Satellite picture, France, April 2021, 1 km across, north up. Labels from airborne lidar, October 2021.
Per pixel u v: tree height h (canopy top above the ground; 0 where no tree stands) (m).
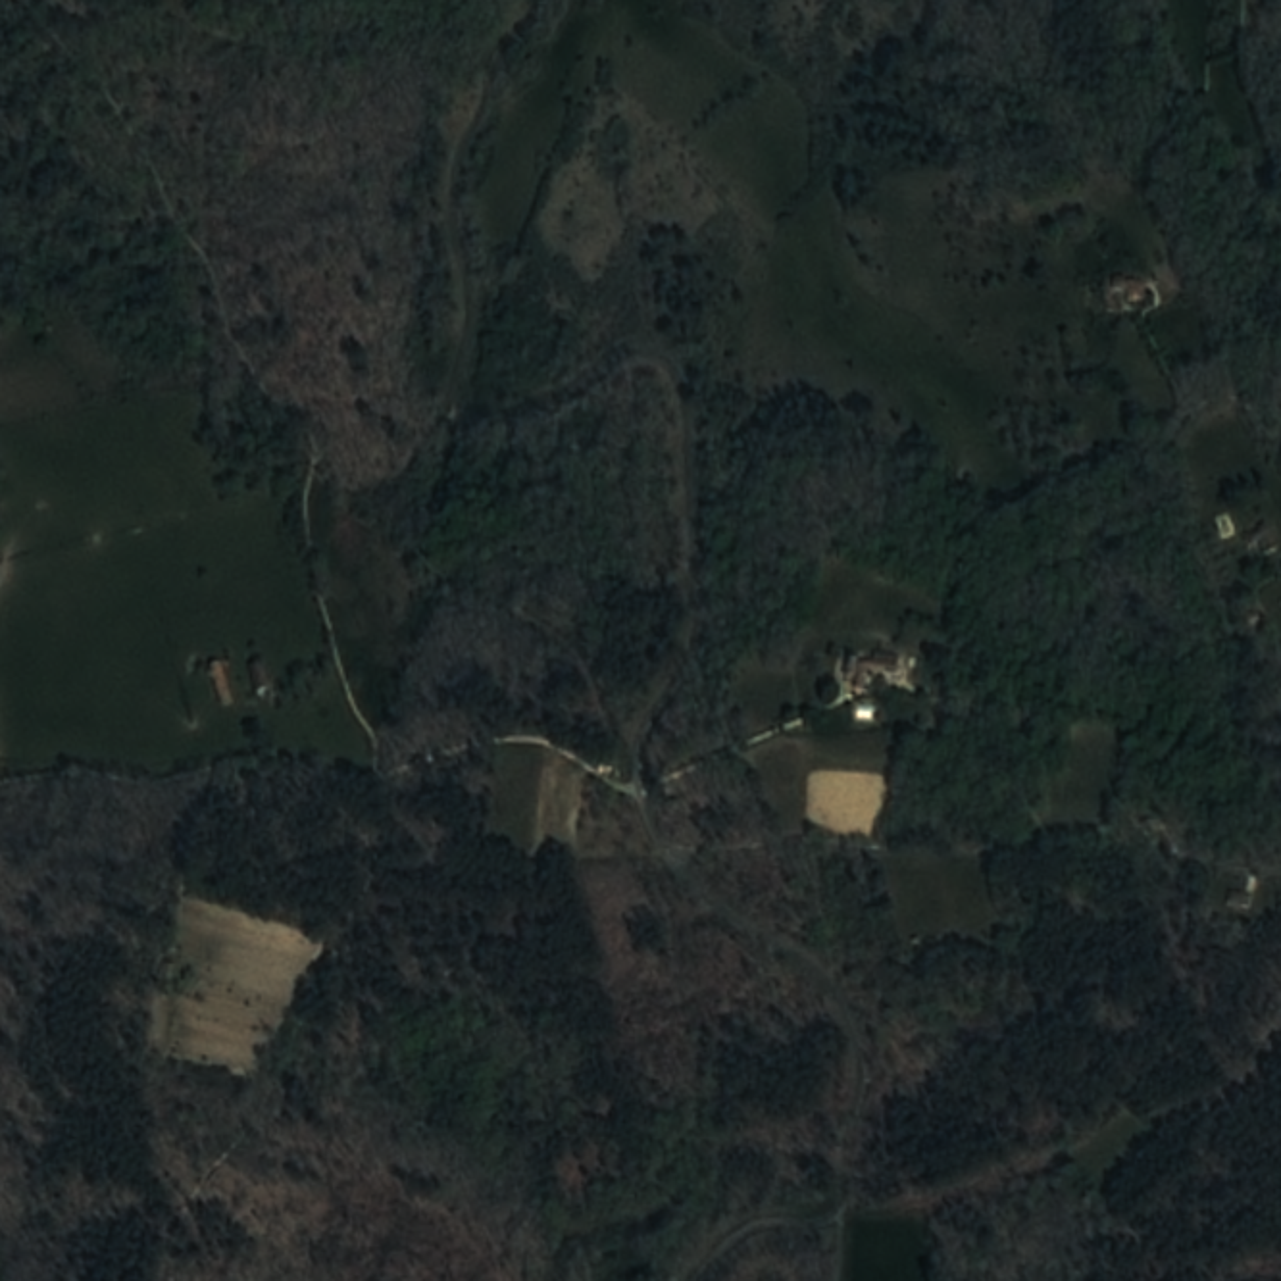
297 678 15
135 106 10
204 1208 12
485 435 23
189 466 0
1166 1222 16
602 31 0
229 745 0
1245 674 22
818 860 7
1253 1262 23
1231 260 18
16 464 0
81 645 0
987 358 0
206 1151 9
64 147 13
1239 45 15
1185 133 26
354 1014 13
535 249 6
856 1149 10
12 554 0
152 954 18
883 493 19
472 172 11
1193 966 7
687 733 19
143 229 14
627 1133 18
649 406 17
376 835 24
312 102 17
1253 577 14
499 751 9
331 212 11
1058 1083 29
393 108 17
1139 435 23
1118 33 25
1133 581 20
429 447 19
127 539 0
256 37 16
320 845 28
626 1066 12
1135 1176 14
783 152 0
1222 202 27
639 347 0
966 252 8
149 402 0
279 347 22
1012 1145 29
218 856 27
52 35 19
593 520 16
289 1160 11
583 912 21
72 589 0
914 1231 0
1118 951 18
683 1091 19
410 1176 17
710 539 20
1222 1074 22
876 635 0
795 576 22
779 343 0
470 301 0
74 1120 22
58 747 0
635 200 9
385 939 23
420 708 15
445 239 15
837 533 19
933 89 17
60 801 24
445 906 25
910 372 0
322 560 15
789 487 21
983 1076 30
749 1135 24
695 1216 21
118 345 12
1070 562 21
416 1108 23
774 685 0
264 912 24
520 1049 19
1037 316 0
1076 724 10
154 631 0
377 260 17
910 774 17
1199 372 21
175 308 18
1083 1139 8
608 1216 19
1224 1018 16
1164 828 18
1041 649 18
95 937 17
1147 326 8
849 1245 0
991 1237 19
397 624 7
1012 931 12
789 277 0
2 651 0
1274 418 22
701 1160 19
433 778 20
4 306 18
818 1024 9
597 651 19
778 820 14
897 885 0
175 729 0
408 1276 11
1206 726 20
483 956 23
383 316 14
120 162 17
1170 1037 27
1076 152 23
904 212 0
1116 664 23
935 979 25
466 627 20
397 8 25
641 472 17
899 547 21
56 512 0
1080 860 18
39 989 15
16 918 16
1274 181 18
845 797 0
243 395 17
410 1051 22
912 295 0
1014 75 16
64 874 13
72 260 10
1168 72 26
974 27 23
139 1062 20
